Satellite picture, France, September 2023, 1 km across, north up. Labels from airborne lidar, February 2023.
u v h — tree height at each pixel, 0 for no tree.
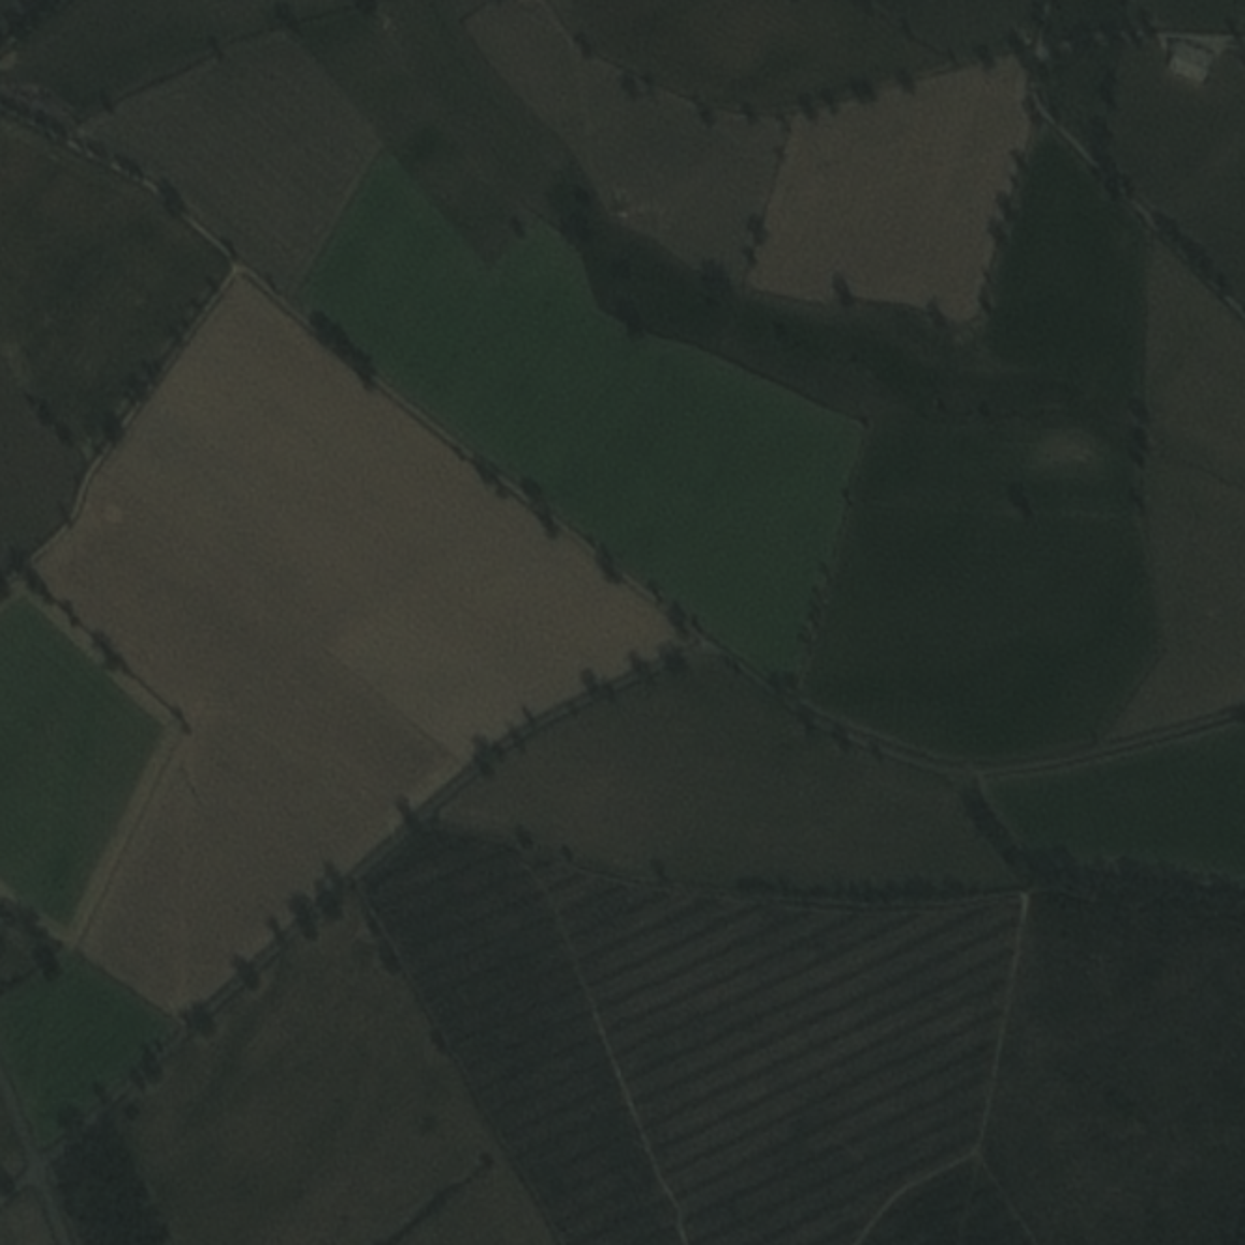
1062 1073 0
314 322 12
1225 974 0
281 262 0
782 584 0
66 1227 0
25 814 0
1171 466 0
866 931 0
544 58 0
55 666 0
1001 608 0
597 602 0
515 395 0
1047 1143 0
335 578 0
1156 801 0
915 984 0
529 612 0
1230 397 0
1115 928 0
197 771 0
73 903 0
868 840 0
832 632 0
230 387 0
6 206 0
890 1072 0
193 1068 0
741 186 0
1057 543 0
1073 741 0
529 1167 0
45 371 0
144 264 0
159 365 7
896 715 0
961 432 0
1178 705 0
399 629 0
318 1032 0
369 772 0
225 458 0
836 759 0
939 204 0
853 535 0
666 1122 0
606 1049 0
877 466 0
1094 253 0
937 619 0
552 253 0
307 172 0
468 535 0
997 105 0
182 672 0
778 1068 0
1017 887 0
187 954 0
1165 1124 0
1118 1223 0
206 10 0
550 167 0
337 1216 0
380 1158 0
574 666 0
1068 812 0
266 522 0
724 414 0
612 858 0
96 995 0
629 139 0
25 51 0
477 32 0
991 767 0
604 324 0
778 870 0
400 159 0
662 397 0
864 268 0
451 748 0
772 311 0
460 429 0
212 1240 0
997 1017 0
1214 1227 0
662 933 0
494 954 0
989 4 0
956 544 0
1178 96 0
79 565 0
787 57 0
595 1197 0
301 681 0
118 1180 7
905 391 0
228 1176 0
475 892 0
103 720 0
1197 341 0
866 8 15
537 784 0
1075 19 0
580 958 0
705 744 0
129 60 0
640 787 0
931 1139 0
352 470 0
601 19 0
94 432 0
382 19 0
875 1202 0
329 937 0
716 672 0
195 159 0
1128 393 0
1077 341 0
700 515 0
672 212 0
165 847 0
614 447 0
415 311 0
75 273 0
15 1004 0
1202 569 0
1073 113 0
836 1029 0
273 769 0
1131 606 0
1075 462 0
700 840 0
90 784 0
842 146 0
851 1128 0
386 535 0
